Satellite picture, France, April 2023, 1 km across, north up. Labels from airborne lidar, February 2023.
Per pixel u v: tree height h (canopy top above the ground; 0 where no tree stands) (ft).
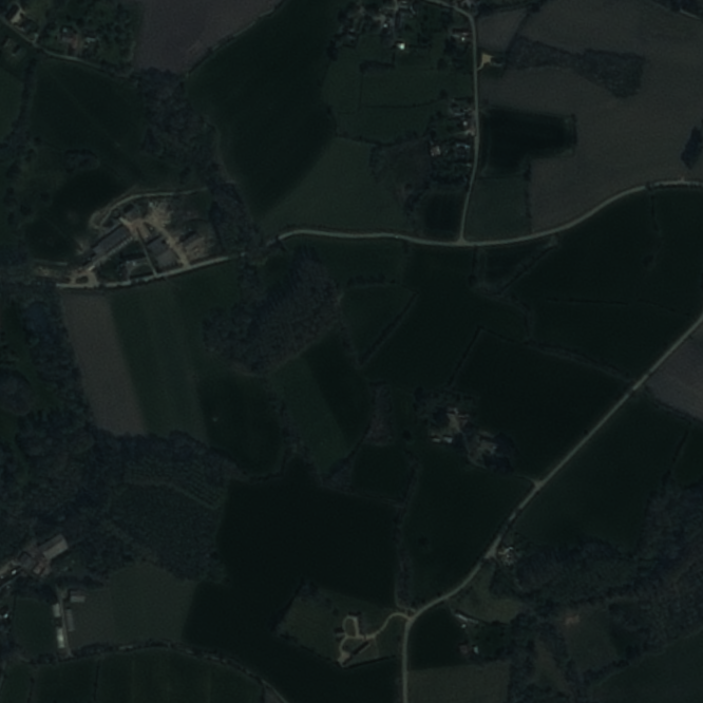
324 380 0
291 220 0
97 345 0
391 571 0
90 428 27
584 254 0
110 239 0
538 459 0
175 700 0
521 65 30
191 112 91
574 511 0
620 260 0
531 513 0
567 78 0
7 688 0
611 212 0
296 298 108
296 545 0
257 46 0
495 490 0
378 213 0
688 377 0
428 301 0
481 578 0
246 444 0
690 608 33
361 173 0
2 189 0
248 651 0
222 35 0
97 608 0
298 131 0
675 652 0
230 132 0
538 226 0
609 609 22
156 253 0
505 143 0
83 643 0
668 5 40
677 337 0
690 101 0
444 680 0
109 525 101
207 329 54
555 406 0
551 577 108
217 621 0
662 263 0
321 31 0
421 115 0
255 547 0
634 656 50
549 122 0
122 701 0
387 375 0
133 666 0
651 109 0
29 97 37
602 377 0
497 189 0
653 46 0
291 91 0
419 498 0
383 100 0
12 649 63
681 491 25
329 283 73
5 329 0
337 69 0
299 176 0
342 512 0
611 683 0
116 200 0
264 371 52
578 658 0
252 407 0
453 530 0
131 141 0
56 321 63
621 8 0
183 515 40
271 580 0
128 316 0
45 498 40
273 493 0
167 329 0
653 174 0
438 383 0
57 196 0
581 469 0
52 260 0
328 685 0
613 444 0
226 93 0
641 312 0
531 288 0
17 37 0
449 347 0
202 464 69
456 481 0
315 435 0
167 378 0
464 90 0
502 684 0
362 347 0
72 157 24
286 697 0
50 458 88
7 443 0
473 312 0
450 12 37
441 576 0
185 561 43
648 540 32
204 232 0
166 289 0
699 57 0
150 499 35
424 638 0
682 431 0
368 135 0
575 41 0
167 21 0
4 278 81
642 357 0
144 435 0
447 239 0
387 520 0
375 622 0
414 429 0
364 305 0
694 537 80
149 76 41
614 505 0
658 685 0
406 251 39
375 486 0
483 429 0
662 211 0
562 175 0
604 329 0
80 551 72
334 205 0
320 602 33
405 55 0
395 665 0
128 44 51
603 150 0
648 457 0
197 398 0
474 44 0
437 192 0
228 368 0
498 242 0
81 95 0
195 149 25
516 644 28
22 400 70
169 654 0
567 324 0
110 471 67
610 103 0
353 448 0
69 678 0
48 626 0
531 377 0
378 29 27
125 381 0
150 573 0
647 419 0
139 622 0
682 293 0
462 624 0
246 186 0
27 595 48
